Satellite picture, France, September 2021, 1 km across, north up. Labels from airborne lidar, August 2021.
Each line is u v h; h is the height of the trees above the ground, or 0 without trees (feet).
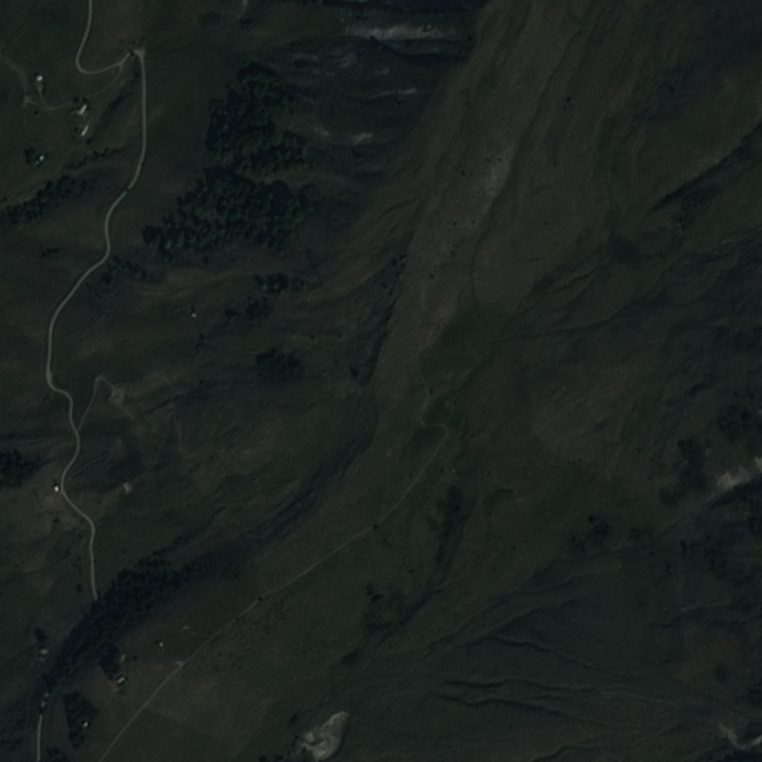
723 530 0
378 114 0
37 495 0
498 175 0
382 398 0
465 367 0
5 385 0
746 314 0
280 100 32
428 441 0
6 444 0
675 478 0
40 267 0
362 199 0
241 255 0
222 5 0
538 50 0
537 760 0
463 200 0
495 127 0
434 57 0
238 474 0
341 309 0
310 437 0
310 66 0
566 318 0
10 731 0
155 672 0
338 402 0
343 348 0
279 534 0
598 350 0
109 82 0
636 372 0
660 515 0
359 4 0
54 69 0
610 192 0
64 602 0
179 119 0
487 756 0
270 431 0
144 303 0
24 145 0
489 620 0
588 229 0
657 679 0
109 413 0
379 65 0
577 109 0
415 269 0
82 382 0
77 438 0
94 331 0
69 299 0
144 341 0
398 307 0
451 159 0
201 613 0
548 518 0
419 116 0
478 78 0
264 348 0
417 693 0
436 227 0
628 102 0
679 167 0
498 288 0
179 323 0
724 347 0
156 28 0
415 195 0
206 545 0
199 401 0
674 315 0
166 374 0
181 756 0
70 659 34
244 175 39
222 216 58
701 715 0
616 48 0
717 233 0
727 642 0
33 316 0
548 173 0
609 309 0
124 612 41
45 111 0
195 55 0
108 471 0
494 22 0
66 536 0
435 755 0
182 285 0
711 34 0
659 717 0
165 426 0
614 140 0
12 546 0
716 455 0
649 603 0
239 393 0
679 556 0
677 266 0
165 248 36
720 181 0
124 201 0
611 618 0
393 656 0
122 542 0
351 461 0
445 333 0
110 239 0
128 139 0
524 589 0
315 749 0
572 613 0
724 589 0
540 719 0
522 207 0
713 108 0
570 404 0
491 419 0
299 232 0
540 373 0
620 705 0
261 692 0
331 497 0
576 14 0
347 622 0
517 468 0
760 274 0
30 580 0
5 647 0
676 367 0
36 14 0
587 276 0
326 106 0
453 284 0
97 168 0
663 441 0
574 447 0
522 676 0
